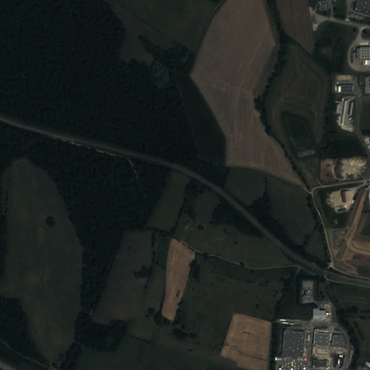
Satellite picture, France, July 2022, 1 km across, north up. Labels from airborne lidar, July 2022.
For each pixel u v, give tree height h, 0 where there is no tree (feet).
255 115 0
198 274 51
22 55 79
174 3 0
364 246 0
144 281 0
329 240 0
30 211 0
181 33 0
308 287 0
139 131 81
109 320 0
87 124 92
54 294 0
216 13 0
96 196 71
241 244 0
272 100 0
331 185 0
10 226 0
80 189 73
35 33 87
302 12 0
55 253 0
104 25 75
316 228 24
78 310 0
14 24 96
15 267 0
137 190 80
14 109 69
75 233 0
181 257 0
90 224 76
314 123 0
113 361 0
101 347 47
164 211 0
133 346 0
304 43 0
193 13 0
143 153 19
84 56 75
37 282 0
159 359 0
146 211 63
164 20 0
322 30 0
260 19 0
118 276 0
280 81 0
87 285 68
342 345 0
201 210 0
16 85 79
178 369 0
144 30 0
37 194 0
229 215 27
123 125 78
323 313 0
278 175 0
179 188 0
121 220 67
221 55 0
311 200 50
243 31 0
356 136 0
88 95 83
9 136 80
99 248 88
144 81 84
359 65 0
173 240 0
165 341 0
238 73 0
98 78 78
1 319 85
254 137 0
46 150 78
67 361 43
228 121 0
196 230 0
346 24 0
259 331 0
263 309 0
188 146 78
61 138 0
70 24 73
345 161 0
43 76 69
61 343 0
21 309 57
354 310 38
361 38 0
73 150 86
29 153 72
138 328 0
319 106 0
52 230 0
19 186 0
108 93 82
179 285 0
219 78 0
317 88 0
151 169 33
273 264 0
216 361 0
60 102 83
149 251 0
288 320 0
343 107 0
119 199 78
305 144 0
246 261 0
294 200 0
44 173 0
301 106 0
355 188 0
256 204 48
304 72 0
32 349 42
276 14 52
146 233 0
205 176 36
